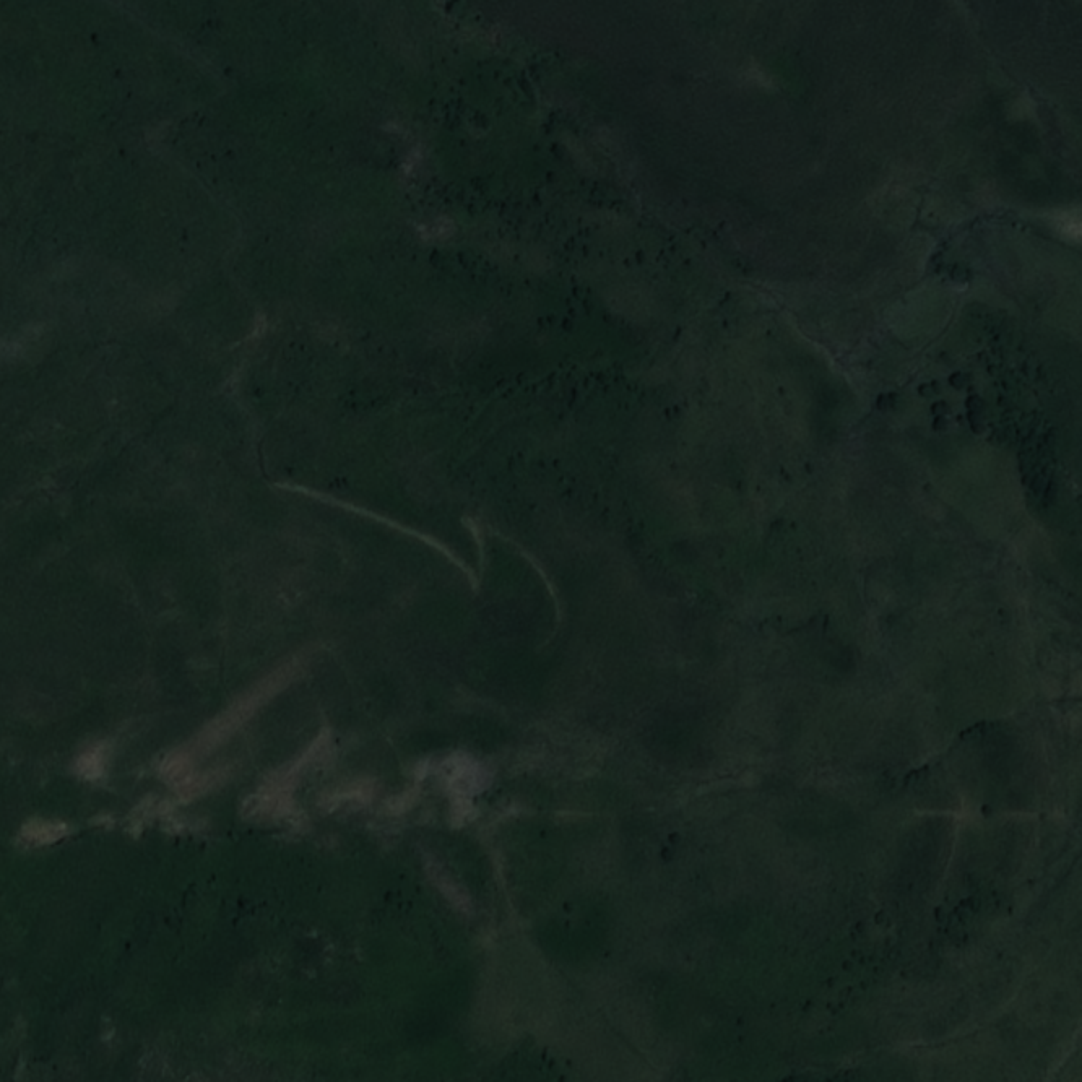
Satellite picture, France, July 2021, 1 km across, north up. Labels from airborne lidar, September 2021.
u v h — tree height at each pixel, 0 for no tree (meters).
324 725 0
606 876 0
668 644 0
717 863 0
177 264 0
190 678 0
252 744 0
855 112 0
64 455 0
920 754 0
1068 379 0
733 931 0
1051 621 0
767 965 0
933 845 0
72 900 0
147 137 0
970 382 14
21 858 0
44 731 0
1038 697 0
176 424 0
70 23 0
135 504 0
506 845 0
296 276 0
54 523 0
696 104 0
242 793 0
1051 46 0
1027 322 0
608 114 0
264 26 0
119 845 0
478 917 0
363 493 0
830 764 0
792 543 0
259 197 0
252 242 0
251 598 0
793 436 0
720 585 0
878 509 0
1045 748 0
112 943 0
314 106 0
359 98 0
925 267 0
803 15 0
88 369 0
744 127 0
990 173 0
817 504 0
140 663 0
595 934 0
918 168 0
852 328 0
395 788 0
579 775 0
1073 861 0
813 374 0
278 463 0
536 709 0
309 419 0
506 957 0
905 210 0
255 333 0
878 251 0
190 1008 0
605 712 0
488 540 0
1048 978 0
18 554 0
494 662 0
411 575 0
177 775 0
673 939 0
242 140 0
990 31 0
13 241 0
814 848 0
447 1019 0
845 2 0
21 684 0
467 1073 0
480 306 0
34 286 0
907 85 0
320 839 0
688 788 0
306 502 0
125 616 0
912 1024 0
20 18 0
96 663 0
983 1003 0
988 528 0
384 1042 0
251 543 0
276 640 0
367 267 0
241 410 0
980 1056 0
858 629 0
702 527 0
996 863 0
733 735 0
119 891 0
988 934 0
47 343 0
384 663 0
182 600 0
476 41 0
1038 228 0
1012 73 0
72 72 0
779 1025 0
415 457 0
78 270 0
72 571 0
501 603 0
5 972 0
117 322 0
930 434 0
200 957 0
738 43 0
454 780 0
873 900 0
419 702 0
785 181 0
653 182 0
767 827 0
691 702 0
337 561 0
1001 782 0
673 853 11
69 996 0
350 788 0
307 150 0
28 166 0
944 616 0
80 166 0
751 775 0
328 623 0
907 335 0
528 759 0
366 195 0
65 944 0
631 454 0
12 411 0
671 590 0
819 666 0
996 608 0
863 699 0
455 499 0
